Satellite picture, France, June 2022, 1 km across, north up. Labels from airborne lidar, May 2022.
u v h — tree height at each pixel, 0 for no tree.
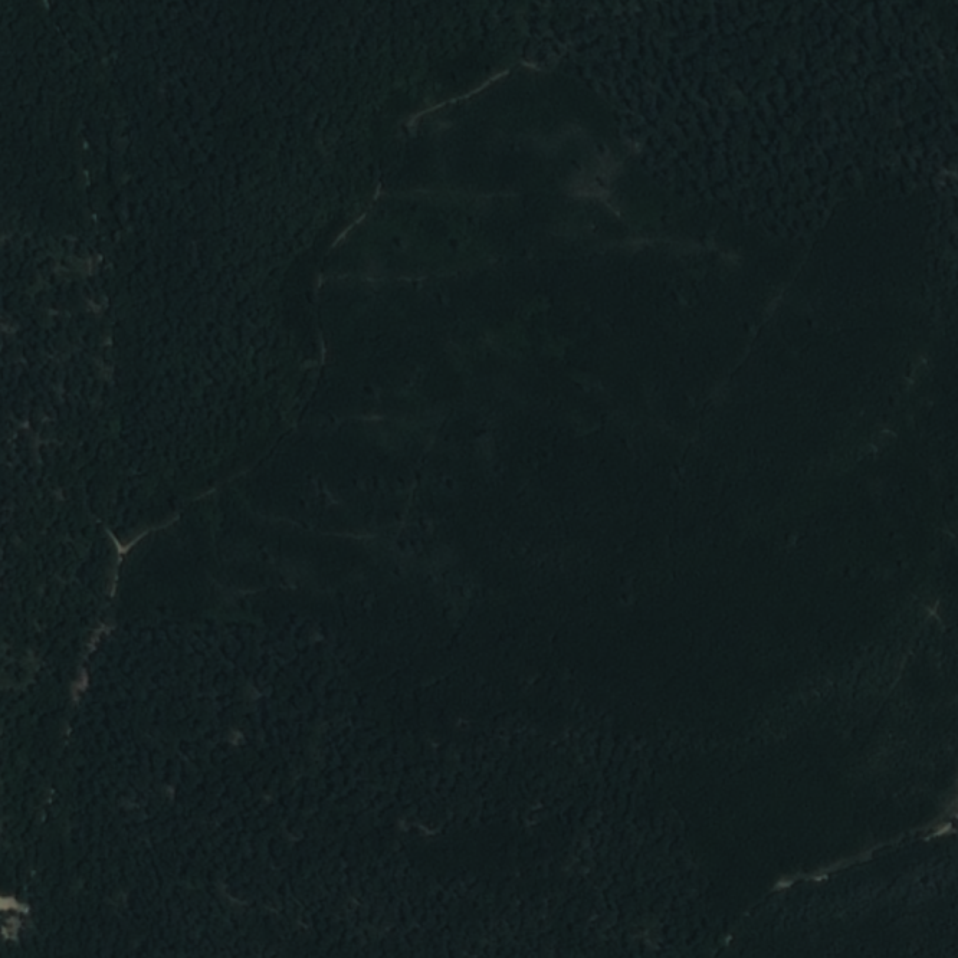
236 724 27
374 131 10
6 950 14
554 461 9
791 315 8
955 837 10
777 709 6
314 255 11
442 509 7
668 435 6
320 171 18
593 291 8
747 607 6
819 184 11
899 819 8
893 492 6
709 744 11
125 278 18
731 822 11
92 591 19
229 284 17
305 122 24
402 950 18
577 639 11
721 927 9
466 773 21
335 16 22
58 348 23
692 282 7
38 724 9
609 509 10
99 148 26
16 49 21
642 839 16
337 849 19
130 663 27
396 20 21
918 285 6
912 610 7
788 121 26
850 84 25
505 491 6
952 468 6
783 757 9
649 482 10
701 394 6
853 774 7
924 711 7
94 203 24
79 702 12
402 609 8
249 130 32
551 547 9
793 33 29
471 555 7
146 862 26
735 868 12
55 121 24
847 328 7
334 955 17
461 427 7
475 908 18
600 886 19
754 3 28
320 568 6
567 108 6
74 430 25
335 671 24
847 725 7
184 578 8
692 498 9
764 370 7
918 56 24
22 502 15
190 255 26
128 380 19
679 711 10
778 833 11
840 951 12
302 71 21
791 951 13
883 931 13
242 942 20
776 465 9
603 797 12
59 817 24
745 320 7
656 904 20
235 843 13
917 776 6
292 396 17
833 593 9
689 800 8
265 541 6
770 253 7
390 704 19
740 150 23
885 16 28
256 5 24
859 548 6
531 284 7
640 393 6
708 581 9
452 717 21
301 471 9
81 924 14
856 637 10
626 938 22
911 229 11
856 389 10
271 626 10
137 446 23
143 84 24
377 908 21
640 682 13
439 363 8
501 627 10
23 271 20
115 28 26
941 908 13
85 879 20
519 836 14
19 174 18
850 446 7
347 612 8
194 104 31
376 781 27
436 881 13
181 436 17
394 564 6
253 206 11
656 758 10
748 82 27
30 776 24
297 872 19
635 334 6
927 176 20
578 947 13
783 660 7
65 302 25
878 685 7
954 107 24
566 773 20
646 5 26
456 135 9
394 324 6
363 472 7
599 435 7
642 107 13
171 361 27
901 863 13
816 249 6
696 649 9
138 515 16
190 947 23
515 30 20
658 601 10
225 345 24
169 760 27
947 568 7
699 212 9
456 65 9
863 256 9
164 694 30
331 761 29
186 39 14
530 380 6
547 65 25
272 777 28
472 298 7
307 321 8
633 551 10
